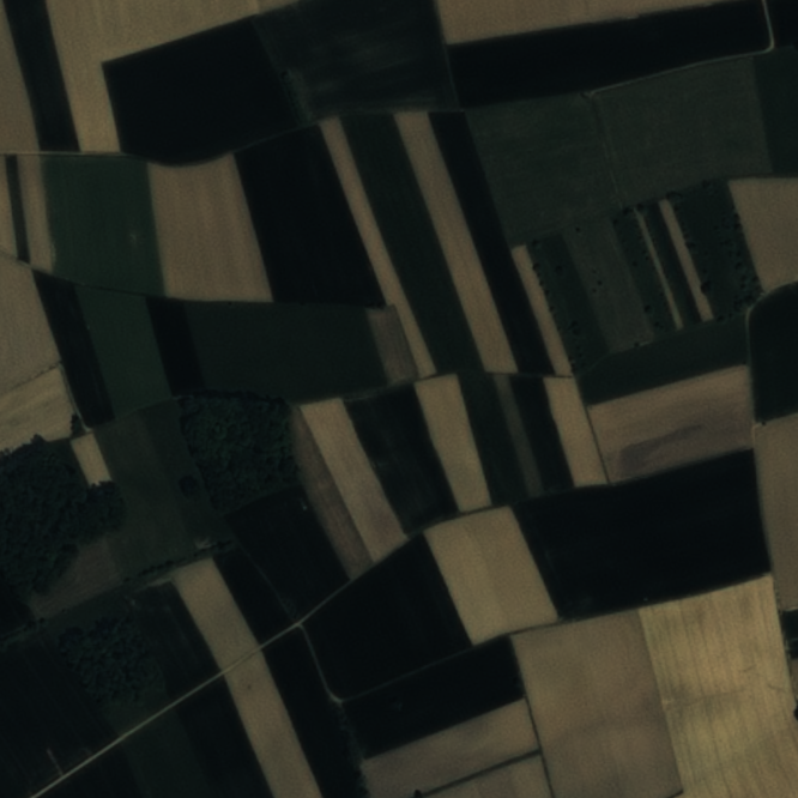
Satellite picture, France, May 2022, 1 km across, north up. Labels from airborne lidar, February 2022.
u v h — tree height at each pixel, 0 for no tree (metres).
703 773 0
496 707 0
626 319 0
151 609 0
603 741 0
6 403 0
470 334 0
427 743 0
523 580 0
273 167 0
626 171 0
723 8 0
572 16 0
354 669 0
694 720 0
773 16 0
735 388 0
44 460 20
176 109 0
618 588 0
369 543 0
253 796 0
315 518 0
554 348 0
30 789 0
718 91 0
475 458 0
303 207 0
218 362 0
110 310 0
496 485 0
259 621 0
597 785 0
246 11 0
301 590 0
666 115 0
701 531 0
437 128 0
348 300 0
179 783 0
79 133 0
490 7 0
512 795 0
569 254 0
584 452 0
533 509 0
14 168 0
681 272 0
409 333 0
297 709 0
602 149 0
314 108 0
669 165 0
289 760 0
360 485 0
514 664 0
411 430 0
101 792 0
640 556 0
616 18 0
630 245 0
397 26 0
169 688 0
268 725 0
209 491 10
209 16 0
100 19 0
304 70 0
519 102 0
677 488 0
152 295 0
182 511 0
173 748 0
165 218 0
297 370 0
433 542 0
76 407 0
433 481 0
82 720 0
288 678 0
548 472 0
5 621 0
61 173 0
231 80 0
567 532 0
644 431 0
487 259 0
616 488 0
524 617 0
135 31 0
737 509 0
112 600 0
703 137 0
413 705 0
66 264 0
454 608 0
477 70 0
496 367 0
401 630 0
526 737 0
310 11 0
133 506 0
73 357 0
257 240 0
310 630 0
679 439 0
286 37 0
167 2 0
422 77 0
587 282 0
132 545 0
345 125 0
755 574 0
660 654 0
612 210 0
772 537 0
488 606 0
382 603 0
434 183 0
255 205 0
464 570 0
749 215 0
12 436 0
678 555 0
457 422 0
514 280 0
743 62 0
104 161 0
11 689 0
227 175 0
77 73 0
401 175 0
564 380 0
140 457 0
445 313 0
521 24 0
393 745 0
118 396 0
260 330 0
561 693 0
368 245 0
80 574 0
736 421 0
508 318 0
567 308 0
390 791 0
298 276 0
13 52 0
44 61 0
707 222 0
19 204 0
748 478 0
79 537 25
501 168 0
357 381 0
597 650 0
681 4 0
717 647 0
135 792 0
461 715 0
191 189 0
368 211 0
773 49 0
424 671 0
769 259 0
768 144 0
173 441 0
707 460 0
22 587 23
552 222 0
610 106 0
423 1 0
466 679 0
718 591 0
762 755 0
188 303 0
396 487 0
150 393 0
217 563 0
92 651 20
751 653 0
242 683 0
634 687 0
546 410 0
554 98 0
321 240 0
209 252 0
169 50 0
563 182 0
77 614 0
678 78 0
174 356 0
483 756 0
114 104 0
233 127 0
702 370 0
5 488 25
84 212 0
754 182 0
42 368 0
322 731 0
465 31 0
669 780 0
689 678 0
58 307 0
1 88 0
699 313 0
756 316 0
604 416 0
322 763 0
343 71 0
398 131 0
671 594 0
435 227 0
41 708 0
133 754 0
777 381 0
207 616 0
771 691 0
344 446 0
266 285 0
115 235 0
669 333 0
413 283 0
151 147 0
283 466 21
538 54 0
